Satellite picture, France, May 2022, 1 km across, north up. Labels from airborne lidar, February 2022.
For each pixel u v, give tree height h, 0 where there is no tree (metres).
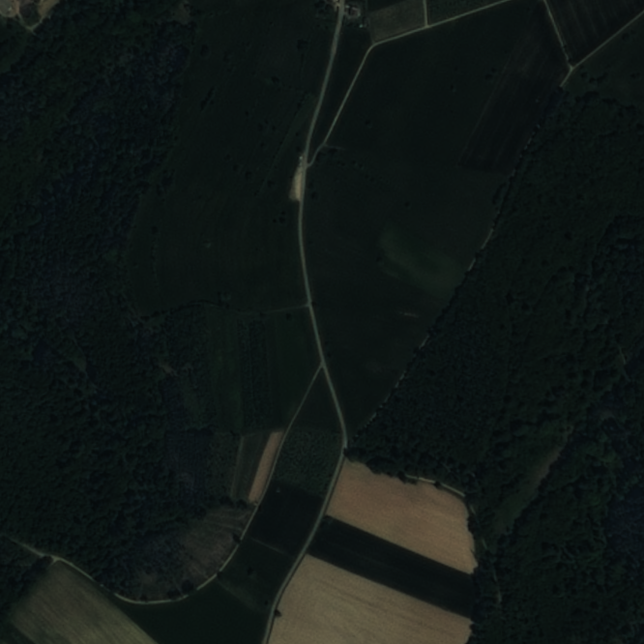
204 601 0
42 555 0
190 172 0
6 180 25
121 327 25
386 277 0
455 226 0
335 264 0
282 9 0
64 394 20
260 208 0
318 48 0
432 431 8
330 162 0
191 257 0
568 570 19
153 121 17
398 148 0
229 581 0
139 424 29
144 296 0
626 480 33
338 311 0
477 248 0
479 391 12
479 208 0
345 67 0
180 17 0
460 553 0
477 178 0
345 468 0
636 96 0
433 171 0
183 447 22
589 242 20
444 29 0
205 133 0
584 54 0
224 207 0
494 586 18
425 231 0
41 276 25
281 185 0
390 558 0
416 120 0
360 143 0
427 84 0
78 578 0
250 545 0
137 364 23
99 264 22
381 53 0
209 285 0
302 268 0
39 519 12
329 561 0
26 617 0
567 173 11
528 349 15
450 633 0
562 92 18
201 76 0
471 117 0
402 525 0
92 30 25
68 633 0
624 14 0
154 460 17
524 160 9
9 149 27
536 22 0
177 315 8
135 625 0
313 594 0
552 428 24
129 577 26
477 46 0
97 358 28
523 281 17
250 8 0
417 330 0
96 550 7
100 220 20
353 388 0
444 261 0
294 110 0
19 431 11
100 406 25
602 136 17
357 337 0
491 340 11
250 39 0
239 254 0
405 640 0
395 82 0
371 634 0
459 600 0
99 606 0
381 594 0
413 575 0
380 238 0
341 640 0
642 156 13
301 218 0
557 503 18
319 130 0
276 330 0
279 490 0
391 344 0
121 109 17
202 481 22
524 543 22
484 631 12
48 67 29
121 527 25
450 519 0
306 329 0
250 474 0
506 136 0
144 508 28
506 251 13
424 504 0
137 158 19
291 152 0
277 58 0
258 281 0
